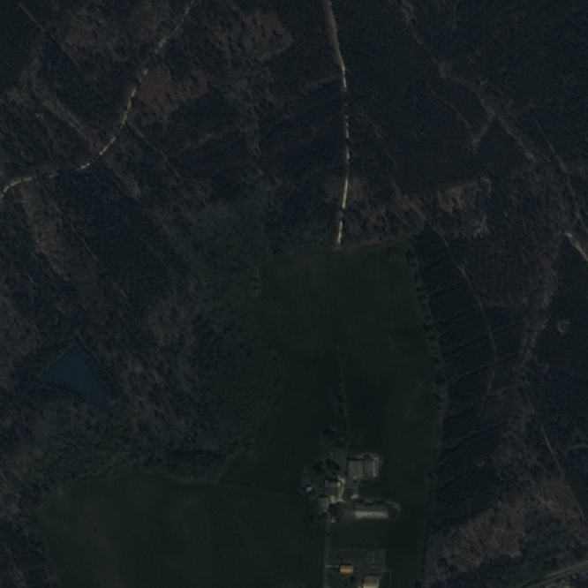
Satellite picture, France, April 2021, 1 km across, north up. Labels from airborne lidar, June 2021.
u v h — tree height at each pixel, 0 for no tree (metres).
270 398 12
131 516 0
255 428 12
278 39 19
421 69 13
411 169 17
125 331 16
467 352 10
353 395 0
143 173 13
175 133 13
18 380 12
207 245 9
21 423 12
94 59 15
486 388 8
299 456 0
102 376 15
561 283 8
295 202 11
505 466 13
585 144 11
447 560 7
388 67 15
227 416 13
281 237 7
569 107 9
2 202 16
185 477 17
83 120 21
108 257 15
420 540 0
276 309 0
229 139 9
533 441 19
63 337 22
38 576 8
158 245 18
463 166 15
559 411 17
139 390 12
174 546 0
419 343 0
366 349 0
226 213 11
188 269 16
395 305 0
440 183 16
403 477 0
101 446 15
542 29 14
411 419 0
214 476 13
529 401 22
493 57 15
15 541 18
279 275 0
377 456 0
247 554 0
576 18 11
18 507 13
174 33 17
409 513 0
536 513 9
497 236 16
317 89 10
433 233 9
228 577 0
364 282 0
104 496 0
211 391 14
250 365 13
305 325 0
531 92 15
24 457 17
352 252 0
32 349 8
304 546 0
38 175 8
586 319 9
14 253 21
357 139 9
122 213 14
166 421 14
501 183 17
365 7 14
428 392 0
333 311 0
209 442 11
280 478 0
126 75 14
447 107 15
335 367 0
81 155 12
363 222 18
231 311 12
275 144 16
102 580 0
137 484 0
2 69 14
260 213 14
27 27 13
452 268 10
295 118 6
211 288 15
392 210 11
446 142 13
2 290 16
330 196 8
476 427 7
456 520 7
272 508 0
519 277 14
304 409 0
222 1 15
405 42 13
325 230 8
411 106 14
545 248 17
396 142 15
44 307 27
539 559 17
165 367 16
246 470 0
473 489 11
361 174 13
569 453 8
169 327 14
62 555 0
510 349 9
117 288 8
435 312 9
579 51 16
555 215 10
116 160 0
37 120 18
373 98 13
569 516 8
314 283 0
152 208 11
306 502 0
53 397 16
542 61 14
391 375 0
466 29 14
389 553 0
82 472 13
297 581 0
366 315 0
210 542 0
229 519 0
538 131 13
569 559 8
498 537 0
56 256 8
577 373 8
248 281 16
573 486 11
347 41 10
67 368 0
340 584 0
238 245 13
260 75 7
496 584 14
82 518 0
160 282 18
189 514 0
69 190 15
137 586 0
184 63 20
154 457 13
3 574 14
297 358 0
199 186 11
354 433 0
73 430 11
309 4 15
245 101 7
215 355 14
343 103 11
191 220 9
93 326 11
